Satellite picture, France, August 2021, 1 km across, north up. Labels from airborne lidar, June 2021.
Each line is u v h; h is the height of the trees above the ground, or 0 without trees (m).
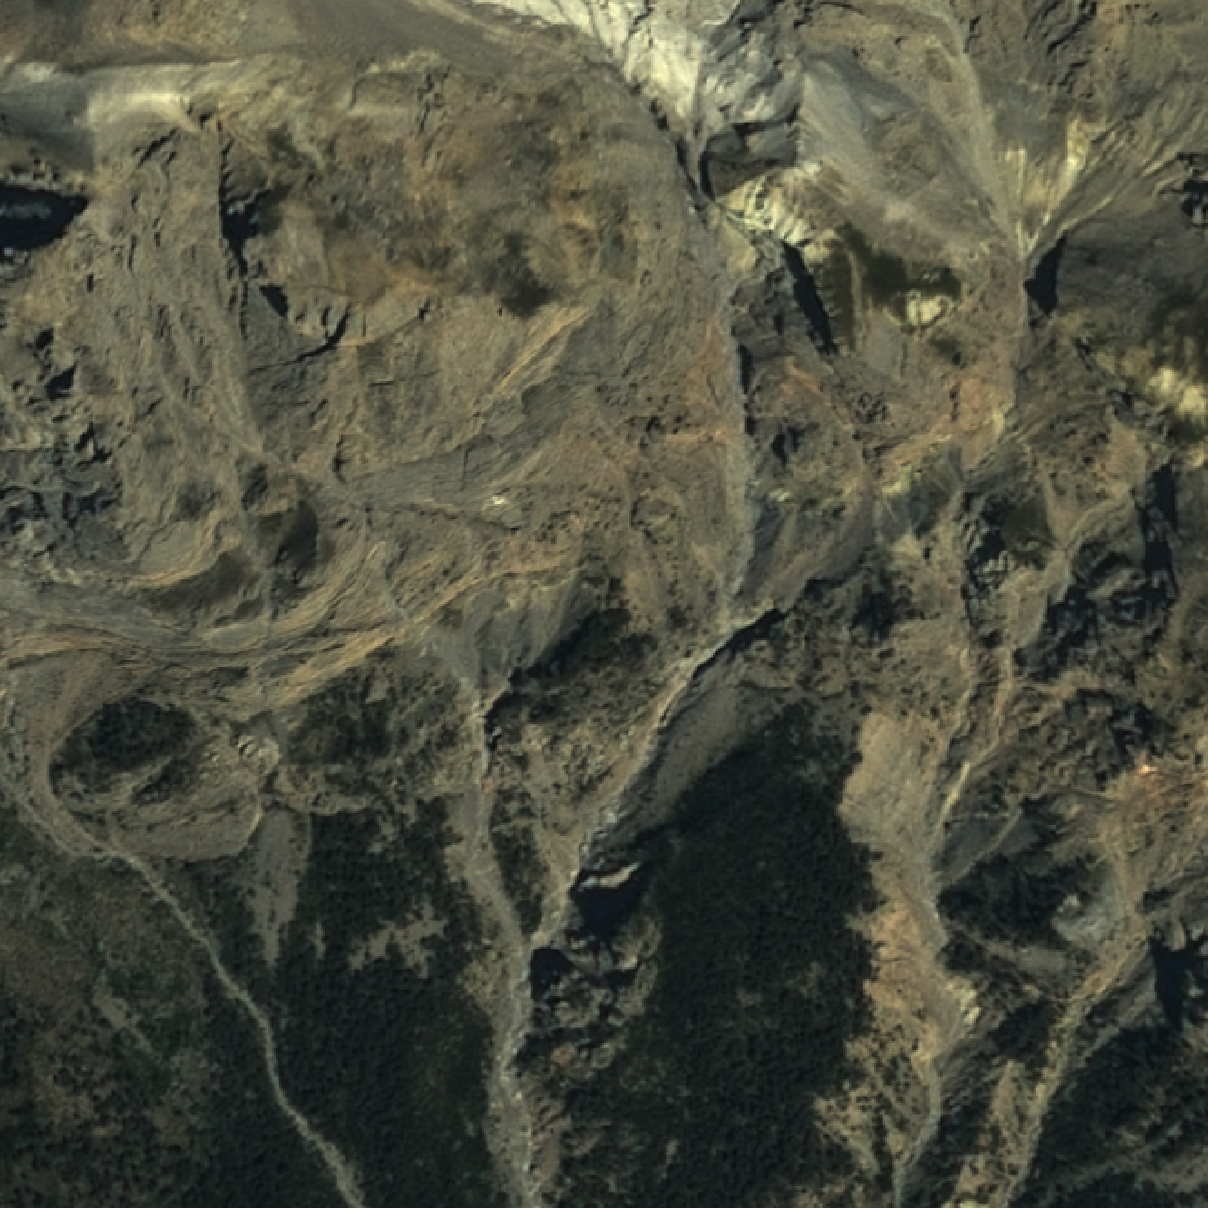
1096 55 0
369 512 0
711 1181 10
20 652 0
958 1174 6
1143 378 0
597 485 0
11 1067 17
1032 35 0
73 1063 11
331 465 0
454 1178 11
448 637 0
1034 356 0
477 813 0
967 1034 0
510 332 0
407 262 0
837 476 0
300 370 0
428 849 7
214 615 0
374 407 0
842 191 0
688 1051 7
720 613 0
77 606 0
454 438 0
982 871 6
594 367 0
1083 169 0
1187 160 0
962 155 0
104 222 0
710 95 0
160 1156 9
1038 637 0
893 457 0
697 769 0
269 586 0
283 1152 9
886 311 0
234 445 0
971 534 0
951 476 0
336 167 0
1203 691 0
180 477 0
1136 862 0
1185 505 0
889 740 0
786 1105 11
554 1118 0
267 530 0
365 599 0
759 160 0
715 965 9
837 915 12
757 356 0
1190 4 0
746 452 0
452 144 0
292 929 7
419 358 0
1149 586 0
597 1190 7
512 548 0
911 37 0
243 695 0
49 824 0
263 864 0
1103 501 0
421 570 0
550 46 0
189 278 0
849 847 12
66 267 0
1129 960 0
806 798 9
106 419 0
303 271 0
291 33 0
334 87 0
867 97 0
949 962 7
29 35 0
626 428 0
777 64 0
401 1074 7
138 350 0
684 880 6
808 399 0
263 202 0
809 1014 10
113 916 0
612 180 0
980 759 0
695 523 0
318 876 6
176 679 0
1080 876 8
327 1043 11
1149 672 0
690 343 0
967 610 0
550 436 0
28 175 0
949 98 0
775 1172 12
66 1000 0
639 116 0
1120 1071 7
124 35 0
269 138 0
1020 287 0
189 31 0
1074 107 0
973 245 0
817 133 0
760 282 0
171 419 0
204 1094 7
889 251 0
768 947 12
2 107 0
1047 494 0
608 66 0
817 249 0
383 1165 10
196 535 0
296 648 0
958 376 0
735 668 0
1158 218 0
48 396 0
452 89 0
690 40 0
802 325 0
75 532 0
